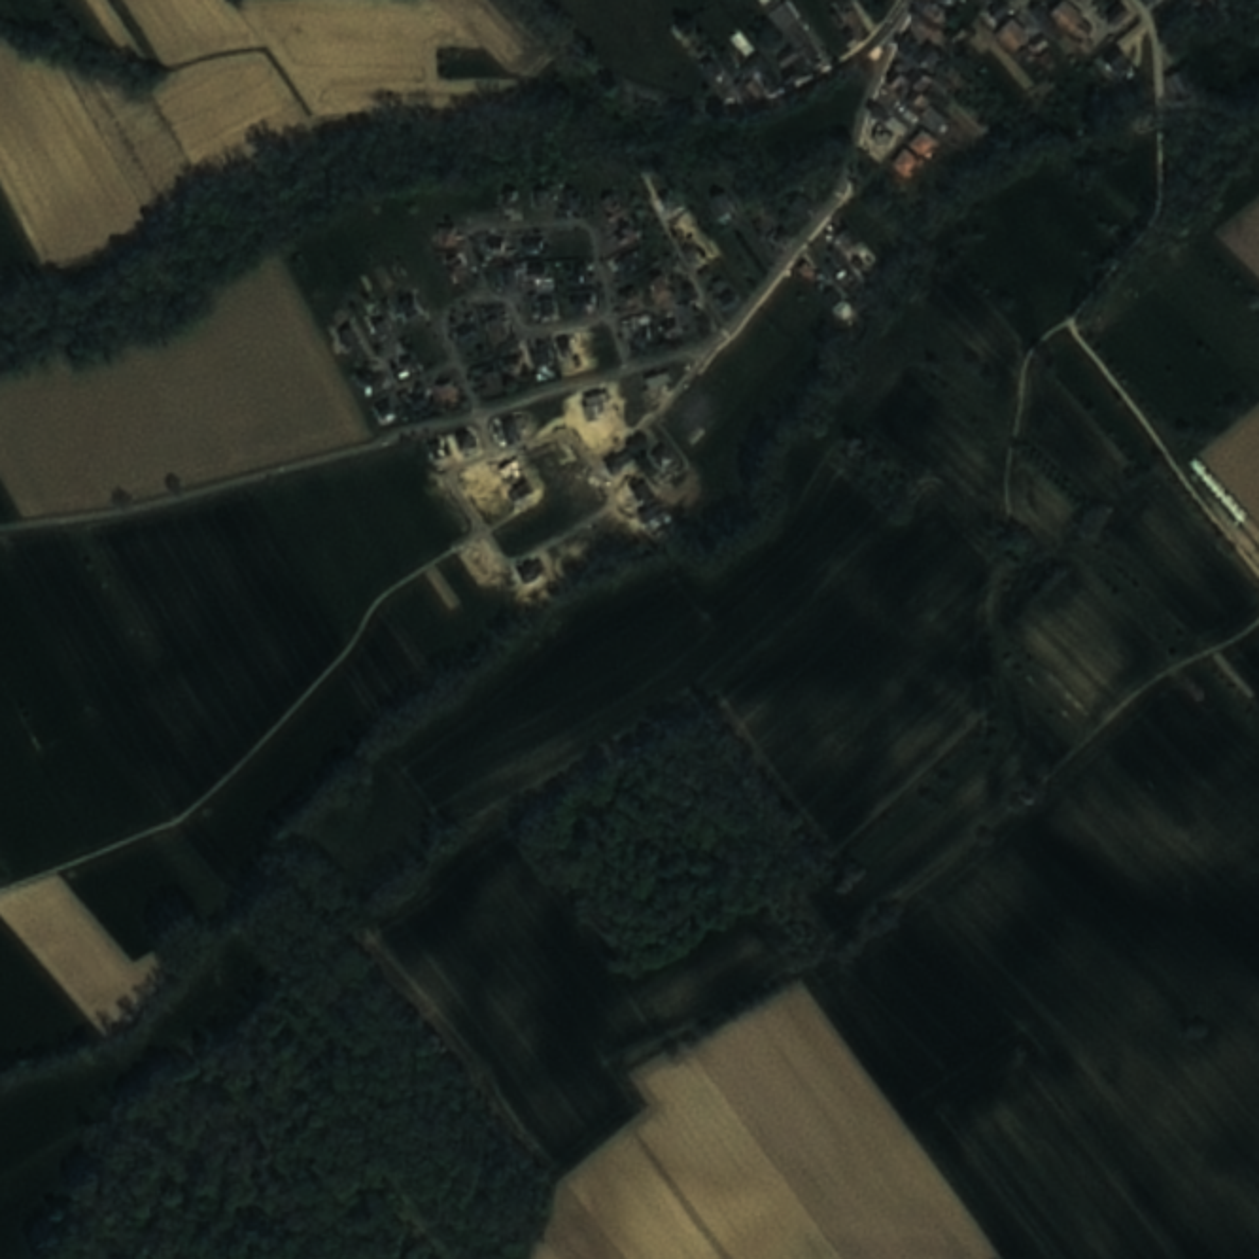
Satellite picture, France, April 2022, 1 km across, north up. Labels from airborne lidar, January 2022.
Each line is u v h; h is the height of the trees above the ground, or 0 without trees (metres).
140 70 19
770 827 30
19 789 0
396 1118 32
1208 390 0
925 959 0
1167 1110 0
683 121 31
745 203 17
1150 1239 0
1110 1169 0
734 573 0
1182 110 21
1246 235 0
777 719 0
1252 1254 0
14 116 0
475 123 27
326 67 0
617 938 21
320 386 0
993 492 0
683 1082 0
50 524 0
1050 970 0
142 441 0
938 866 0
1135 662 0
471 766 0
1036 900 0
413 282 0
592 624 0
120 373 0
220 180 26
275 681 0
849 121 0
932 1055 0
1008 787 0
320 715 0
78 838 0
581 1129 0
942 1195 0
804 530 0
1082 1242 0
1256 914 0
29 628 0
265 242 22
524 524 0
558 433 0
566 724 0
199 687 0
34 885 0
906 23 0
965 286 0
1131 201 0
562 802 23
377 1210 27
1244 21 30
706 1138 0
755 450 0
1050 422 0
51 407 0
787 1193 0
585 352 0
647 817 28
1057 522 0
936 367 10
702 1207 0
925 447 0
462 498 0
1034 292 0
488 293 0
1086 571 0
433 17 0
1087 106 0
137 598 0
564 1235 0
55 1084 0
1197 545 0
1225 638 0
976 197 20
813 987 0
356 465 0
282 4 0
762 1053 0
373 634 0
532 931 0
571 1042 0
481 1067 0
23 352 32
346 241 0
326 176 37
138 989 0
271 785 0
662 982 0
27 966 0
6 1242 0
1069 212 0
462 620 0
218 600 0
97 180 0
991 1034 0
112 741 0
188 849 0
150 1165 36
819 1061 0
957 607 0
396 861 0
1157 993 0
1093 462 0
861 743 0
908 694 0
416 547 0
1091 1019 0
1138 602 0
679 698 0
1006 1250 0
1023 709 0
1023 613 0
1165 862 0
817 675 0
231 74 0
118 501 11
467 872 0
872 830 0
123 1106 26
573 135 33
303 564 0
